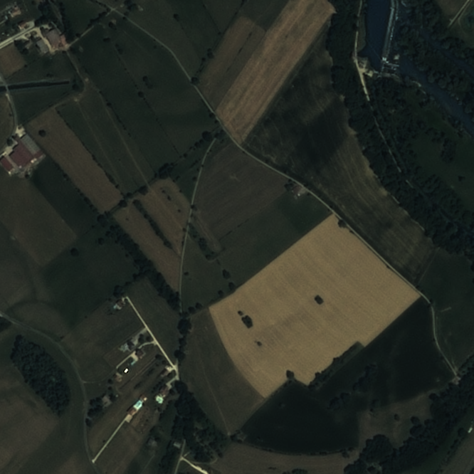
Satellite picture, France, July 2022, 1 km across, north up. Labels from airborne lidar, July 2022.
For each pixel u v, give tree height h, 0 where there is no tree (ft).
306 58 0
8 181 0
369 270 0
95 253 0
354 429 0
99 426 0
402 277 0
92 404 44
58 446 0
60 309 0
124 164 0
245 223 0
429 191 33
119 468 0
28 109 0
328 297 0
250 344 0
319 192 0
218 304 0
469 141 0
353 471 59
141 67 0
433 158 0
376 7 0
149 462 0
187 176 0
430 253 0
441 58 30
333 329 0
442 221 91
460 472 0
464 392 49
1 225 0
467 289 0
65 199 0
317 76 0
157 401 0
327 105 0
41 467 0
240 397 0
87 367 0
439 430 83
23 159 0
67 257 0
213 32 0
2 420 0
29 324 0
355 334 0
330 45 62
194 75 0
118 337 0
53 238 0
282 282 0
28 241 0
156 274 21
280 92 0
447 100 0
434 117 0
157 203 0
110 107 31
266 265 0
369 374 65
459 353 0
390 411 0
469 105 59
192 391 0
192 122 0
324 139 0
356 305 0
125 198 29
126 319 0
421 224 41
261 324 0
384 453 70
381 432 0
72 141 0
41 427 0
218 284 0
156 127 0
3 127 0
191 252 0
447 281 0
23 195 0
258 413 0
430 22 59
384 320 0
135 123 0
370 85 31
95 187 0
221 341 0
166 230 0
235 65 0
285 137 0
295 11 0
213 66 0
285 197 0
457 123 30
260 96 0
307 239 0
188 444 45
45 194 0
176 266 0
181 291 0
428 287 0
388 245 0
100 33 0
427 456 81
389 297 0
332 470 0
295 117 0
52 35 0
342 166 0
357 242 0
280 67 0
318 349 0
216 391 0
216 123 30
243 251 0
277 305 0
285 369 0
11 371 0
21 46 37
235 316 0
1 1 0
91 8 0
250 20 0
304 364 0
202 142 35
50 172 0
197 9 0
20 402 0
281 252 0
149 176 0
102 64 0
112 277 0
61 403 37
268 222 0
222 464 0
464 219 23
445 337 0
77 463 0
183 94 0
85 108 0
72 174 0
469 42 0
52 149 0
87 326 0
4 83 0
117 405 0
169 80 0
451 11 0
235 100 0
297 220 0
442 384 0
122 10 0
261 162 0
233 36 0
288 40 0
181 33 0
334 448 0
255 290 0
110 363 0
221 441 20
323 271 0
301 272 0
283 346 0
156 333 0
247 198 0
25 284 0
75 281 0
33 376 38
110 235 40
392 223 0
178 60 0
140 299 0
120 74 0
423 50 64
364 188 0
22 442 0
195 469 0
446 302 0
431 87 0
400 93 93
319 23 0
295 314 0
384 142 48
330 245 0
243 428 0
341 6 86
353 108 62
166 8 0
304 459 0
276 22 0
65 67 0
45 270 0
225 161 0
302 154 0
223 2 0
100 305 0
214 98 0
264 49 0
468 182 0
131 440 0
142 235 0
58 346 0
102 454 0
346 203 0
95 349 0
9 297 0
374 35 0
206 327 0
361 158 0
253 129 0
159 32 0
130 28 0
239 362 0
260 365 0
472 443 0
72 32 27
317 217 0
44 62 0
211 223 0
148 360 0
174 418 0
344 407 52
